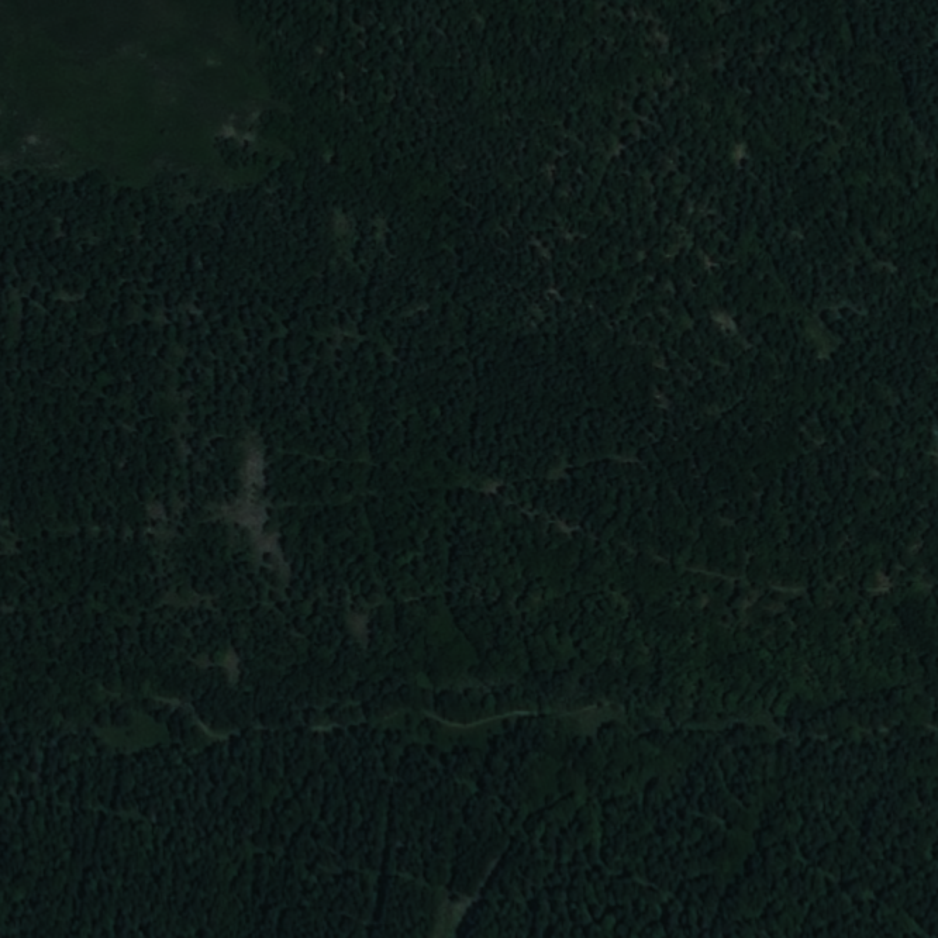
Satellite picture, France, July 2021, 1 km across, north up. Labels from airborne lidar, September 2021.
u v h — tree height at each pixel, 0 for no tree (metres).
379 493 8
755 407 19
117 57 0
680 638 21
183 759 16
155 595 12
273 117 15
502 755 22
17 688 18
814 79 6
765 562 14
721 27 17
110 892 23
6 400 21
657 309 23
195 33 0
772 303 16
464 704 24
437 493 23
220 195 16
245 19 13
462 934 16
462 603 29
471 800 14
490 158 19
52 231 30
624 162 15
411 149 22
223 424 23
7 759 21
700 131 17
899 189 15
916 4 21
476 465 18
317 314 26
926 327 23
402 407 10
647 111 32
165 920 29
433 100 19
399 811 36
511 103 21
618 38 12
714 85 8
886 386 9
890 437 14
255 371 26
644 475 30
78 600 16
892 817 25
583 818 22
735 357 11
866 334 34
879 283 14
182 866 26
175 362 8
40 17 0
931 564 13
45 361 15
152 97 0
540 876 25
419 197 14
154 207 31
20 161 11
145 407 18
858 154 11
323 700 16
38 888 26
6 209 28
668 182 23
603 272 12
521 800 30
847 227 18
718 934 30
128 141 0
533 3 11
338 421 33
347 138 23
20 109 0
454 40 26
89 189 30
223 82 0
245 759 23
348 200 23
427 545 13
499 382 33
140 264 26
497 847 24
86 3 0
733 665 20
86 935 28
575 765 9
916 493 28
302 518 14
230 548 15
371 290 33
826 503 13
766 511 27
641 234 14
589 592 8
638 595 17
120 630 16
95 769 25
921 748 26
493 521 26
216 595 20
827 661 24
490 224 27
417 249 27
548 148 10
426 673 15
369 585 28
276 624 28
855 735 16
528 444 17
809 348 20
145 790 21
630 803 17
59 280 35
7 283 29
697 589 26
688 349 22
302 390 29
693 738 29
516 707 7
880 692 9
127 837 24
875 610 26
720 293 17
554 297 15
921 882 26
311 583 22
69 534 7
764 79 20
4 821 27
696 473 27
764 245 17
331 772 22
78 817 25
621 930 28
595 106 19
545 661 27
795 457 15
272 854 14
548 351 37
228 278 32
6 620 21
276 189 15
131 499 15
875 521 21
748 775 29
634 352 20
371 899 26
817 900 23
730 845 20
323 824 22
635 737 15
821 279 26
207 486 13
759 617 7
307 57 20
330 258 14
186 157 0
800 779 25
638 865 29
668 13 17
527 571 16
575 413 30
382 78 18
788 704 19
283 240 27
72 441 14
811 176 26
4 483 18
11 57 0
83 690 15
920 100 29
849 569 12
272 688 18
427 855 30
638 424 34
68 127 0
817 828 17
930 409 11
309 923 25
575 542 13
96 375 24
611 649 16
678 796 14
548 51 22
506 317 19
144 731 0
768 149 15
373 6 20
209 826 26
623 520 23
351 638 24
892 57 22
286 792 13
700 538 11
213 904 29
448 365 29
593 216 14
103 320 8
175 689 15
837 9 9
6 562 14
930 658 31
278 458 17
